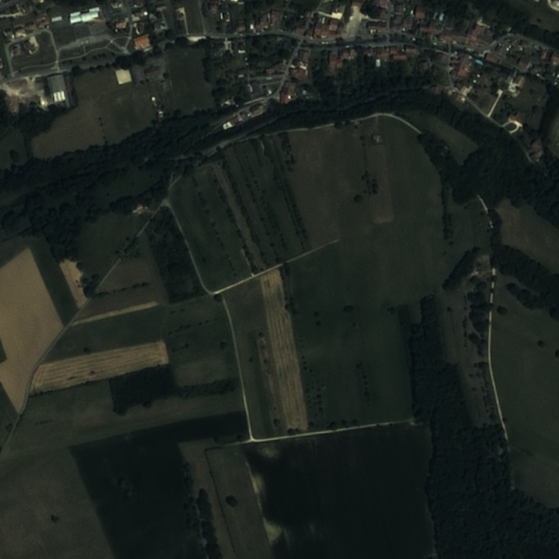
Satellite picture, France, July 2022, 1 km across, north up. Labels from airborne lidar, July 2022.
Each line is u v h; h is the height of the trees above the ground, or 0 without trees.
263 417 0
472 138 9
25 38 0
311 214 0
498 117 8
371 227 0
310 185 0
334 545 0
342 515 0
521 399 0
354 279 0
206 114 18
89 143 0
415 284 0
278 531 0
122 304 0
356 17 0
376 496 0
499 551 14
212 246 0
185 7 0
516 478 0
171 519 0
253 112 0
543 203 26
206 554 6
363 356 0
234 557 0
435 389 25
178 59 0
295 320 0
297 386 0
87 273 0
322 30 0
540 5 0
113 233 0
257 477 0
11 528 0
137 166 10
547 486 0
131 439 0
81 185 18
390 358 0
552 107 15
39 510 0
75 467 0
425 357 23
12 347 0
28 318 0
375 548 0
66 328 0
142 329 0
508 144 16
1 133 0
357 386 0
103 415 0
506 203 0
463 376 0
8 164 0
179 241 13
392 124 0
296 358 0
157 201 8
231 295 0
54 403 0
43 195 7
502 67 7
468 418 6
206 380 0
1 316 0
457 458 21
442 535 19
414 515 0
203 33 0
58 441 0
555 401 0
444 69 0
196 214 0
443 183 6
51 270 0
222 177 0
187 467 8
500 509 15
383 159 0
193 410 0
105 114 0
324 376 0
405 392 0
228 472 0
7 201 0
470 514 21
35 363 0
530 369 0
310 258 0
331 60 0
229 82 7
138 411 0
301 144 0
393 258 0
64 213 19
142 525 0
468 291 0
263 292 0
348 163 0
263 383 0
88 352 8
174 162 12
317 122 12
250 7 9
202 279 0
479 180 14
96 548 0
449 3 9
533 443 0
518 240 0
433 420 17
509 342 0
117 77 0
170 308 0
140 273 0
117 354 0
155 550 0
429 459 0
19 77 0
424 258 0
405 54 0
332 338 0
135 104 0
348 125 10
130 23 0
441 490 23
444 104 7
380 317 0
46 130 12
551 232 0
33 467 0
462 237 0
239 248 0
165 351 0
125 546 0
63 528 0
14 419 0
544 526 12
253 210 0
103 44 0
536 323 0
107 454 0
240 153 0
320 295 0
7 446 0
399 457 0
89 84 0
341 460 0
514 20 6
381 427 6
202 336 0
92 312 0
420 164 0
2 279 0
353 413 0
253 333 0
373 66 12
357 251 0
